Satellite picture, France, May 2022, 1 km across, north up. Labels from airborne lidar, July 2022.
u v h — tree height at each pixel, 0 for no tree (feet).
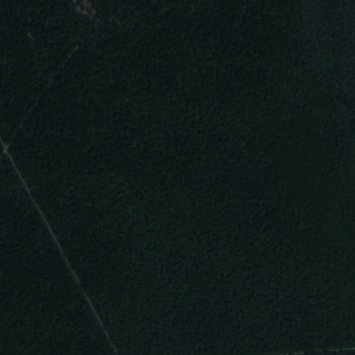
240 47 95
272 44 83
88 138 86
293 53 91
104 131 83
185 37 86
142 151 80
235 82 107
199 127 77
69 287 84
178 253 81
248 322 71
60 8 107
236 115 83
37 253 90
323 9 76
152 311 63
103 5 109
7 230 91
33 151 85
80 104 96
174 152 92
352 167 62
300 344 45
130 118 66
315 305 67
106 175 70
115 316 81
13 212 93
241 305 91
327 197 29
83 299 18
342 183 71
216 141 81
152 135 93
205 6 81
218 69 93
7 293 78
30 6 90
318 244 81
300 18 87
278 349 49
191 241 81
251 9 83
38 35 95
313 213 18
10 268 80
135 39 72
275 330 86
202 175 94
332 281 66
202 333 77
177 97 66
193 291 39
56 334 84
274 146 22
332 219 19
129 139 78
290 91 80
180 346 79
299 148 34
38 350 91
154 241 82
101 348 91
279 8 92
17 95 79
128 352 90
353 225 28
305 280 83
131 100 53
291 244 79
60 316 90
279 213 87
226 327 86
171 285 63
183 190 80
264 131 22
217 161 92
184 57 76
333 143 61
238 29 92
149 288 83
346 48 92
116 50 91
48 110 83
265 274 56
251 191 84
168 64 90
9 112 89
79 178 72
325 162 27
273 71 56
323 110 73
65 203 71
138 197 71
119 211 70
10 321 85
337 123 49
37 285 79
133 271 64
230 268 72
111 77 45
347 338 59
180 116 84
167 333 72
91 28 93
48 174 62
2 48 103
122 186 67
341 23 89
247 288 34
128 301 68
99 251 81
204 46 81
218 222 85
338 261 37
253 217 76
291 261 80
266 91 81
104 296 82
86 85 73
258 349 94
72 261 75
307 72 86
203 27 93
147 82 73
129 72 86
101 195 85
